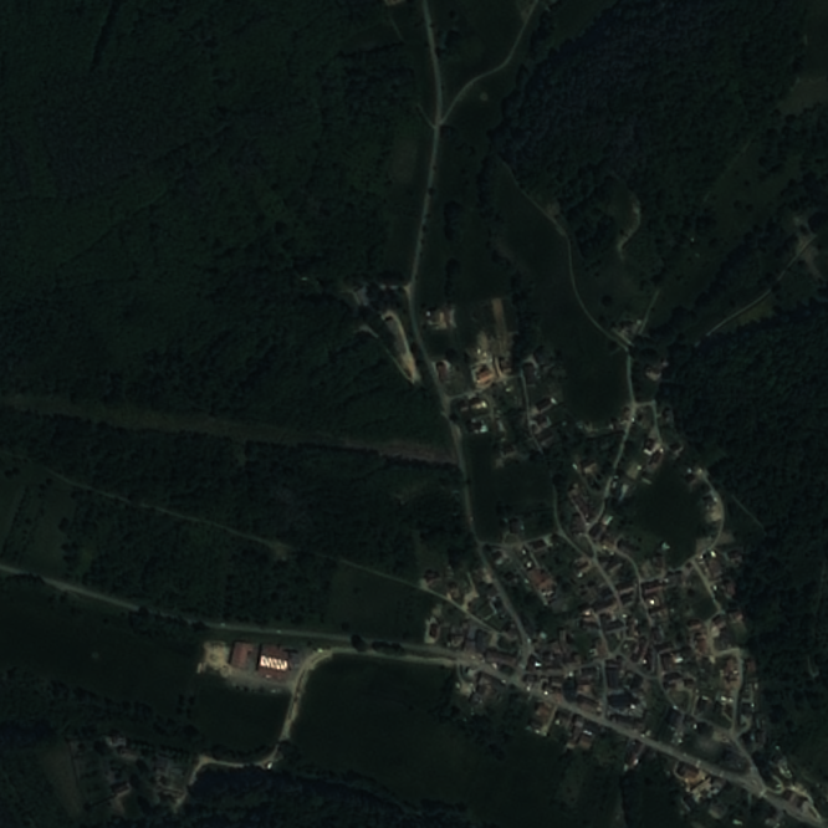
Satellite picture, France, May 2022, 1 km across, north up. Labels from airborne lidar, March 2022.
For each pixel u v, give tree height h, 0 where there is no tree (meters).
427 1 0
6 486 0
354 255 18
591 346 0
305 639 0
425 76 0
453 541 15
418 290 0
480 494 0
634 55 22
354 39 0
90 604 0
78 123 17
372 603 0
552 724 0
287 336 22
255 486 16
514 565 0
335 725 0
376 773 0
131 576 14
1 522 0
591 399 0
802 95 0
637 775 8
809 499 21
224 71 22
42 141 21
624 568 6
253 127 18
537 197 0
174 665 0
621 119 14
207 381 22
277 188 18
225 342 22
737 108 16
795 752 8
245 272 26
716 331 0
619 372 0
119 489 15
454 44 17
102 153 19
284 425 16
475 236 0
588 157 20
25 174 25
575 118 15
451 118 0
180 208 25
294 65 22
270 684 0
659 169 8
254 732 0
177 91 18
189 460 9
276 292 27
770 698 12
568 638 14
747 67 20
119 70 16
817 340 19
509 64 0
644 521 0
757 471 14
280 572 14
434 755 0
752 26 19
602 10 0
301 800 27
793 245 8
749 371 17
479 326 0
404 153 0
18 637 0
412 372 0
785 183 0
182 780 0
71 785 0
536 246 0
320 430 13
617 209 0
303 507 15
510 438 0
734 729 0
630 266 0
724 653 0
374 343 16
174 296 19
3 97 18
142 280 20
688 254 9
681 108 16
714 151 15
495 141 20
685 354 16
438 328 0
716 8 17
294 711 0
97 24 17
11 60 18
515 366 7
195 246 22
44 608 0
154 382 15
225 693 0
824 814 0
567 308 0
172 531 11
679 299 0
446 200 0
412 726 0
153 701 0
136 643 0
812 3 0
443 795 0
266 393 22
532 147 13
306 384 22
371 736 0
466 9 0
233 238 15
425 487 0
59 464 6
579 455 0
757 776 0
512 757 0
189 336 20
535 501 0
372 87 26
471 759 0
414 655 0
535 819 0
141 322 23
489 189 22
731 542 0
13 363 12
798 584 0
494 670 0
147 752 14
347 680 0
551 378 11
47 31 18
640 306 0
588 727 0
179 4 19
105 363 11
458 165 0
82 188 16
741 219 0
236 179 22
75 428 20
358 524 20
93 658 0
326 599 6
